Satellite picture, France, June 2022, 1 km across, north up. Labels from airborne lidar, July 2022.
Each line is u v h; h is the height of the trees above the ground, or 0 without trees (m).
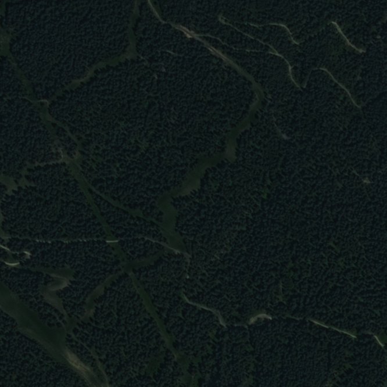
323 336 28
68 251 24
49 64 28
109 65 0
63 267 19
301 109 17
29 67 23
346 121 11
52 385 29
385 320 23
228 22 11
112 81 10
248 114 30
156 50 16
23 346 15
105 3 21
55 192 31
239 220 24
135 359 30
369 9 14
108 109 21
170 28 32
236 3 25
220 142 11
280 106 23
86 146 35
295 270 9
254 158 16
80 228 25
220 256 9
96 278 8
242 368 23
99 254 26
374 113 14
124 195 32
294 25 21
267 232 30
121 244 9
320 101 24
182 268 22
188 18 23
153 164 30
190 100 20
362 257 30
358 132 29
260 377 25
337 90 27
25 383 10
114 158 31
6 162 16
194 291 27
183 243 0
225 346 31
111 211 19
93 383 0
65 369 13
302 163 27
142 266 0
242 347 30
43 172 26
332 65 13
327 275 31
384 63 20
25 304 8
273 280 22
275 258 33
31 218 33
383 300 20
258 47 21
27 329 0
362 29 24
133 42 0
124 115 14
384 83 30
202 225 13
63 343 0
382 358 32
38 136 30
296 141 5
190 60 17
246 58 26
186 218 31
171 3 25
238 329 26
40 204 27
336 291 30
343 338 34
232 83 19
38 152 20
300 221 11
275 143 28
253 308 32
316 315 34
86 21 34
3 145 27
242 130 0
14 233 22
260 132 29
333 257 27
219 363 21
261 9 27
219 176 30
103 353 31
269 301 27
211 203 33
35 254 30
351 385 26
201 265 22
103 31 25
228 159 0
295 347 32
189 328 27
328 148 27
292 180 28
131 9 23
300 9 26
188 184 0
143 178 35
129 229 6
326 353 21
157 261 0
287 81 11
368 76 27
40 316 9
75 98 29
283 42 28
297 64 18
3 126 11
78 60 22
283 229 13
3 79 19
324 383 16
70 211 29
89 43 28
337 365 23
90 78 0
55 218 10
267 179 35
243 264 29
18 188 0
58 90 26
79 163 0
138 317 35
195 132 14
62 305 0
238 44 27
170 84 19
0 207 0
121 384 8
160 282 29
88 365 8
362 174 27
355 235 27
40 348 7
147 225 24
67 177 30
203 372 25
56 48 26
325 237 32
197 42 20
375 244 20
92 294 25
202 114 14
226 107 9
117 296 25
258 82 19
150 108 20
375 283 31
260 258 27
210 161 0
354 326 33
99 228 21
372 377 26
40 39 28
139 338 27
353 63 13
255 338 30
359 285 8
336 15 23
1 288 0
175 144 8
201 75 17
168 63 26
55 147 13
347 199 33
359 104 14
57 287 0
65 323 23
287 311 35
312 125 13
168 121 20
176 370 30
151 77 25
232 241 30
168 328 25
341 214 23
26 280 25
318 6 30
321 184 34
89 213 31
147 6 17
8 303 0
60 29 23
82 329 25
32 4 30
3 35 0
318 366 20
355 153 16
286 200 14
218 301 29
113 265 22
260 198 32
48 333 0
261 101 0
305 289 27
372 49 18
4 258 22
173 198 0
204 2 32
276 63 24
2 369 26
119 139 32
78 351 8
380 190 17
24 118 31
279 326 39
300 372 30
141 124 28
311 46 14
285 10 21
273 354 33
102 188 30
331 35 13
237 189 31
